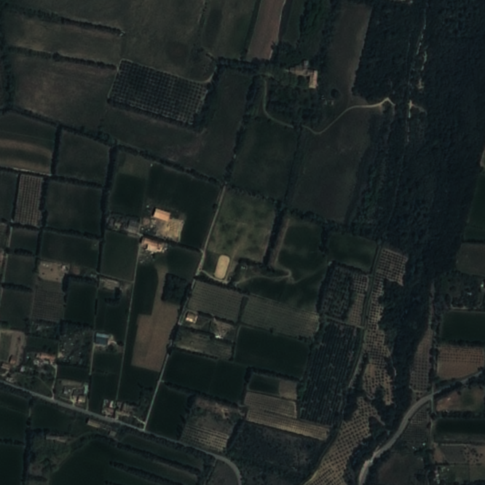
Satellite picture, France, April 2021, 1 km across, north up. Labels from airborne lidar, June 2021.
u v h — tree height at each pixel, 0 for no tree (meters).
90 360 6
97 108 0
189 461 0
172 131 0
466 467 0
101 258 8
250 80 0
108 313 0
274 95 14
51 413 0
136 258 0
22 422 0
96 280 10
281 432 6
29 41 0
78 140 0
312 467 6
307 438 6
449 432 0
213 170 0
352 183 0
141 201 0
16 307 0
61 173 0
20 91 0
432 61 6
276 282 0
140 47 0
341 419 14
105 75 0
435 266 10
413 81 6
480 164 9
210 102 11
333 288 6
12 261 0
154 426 0
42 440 24
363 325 0
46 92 0
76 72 0
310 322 0
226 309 0
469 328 0
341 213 0
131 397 0
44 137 0
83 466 0
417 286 8
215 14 0
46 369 12
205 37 0
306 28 18
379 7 8
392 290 6
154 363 0
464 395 0
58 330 8
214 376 0
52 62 0
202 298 0
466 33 13
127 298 0
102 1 0
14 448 0
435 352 10
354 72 0
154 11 0
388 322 6
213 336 14
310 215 14
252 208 0
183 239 0
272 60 6
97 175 0
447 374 0
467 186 6
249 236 0
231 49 0
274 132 0
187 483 0
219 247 0
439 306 15
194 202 0
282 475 9
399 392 10
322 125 7
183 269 0
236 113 0
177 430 0
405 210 6
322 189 0
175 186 0
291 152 0
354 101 0
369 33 9
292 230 0
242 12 0
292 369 0
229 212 0
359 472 6
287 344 0
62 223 0
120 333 0
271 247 7
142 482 0
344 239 0
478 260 0
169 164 17
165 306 0
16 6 7
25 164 0
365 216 10
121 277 0
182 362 0
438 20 6
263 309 0
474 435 0
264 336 0
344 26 0
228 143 0
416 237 19
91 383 6
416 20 6
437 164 7
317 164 0
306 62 0
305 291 0
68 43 0
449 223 9
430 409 7
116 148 13
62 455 19
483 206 0
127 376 0
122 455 0
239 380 0
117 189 0
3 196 0
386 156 6
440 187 6
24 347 10
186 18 0
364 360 7
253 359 0
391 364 6
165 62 0
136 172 0
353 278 9
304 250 0
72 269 0
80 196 0
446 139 10
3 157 0
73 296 0
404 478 0
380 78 6
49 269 0
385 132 6
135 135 0
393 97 8
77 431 0
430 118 6
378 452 0
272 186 0
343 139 0
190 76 0
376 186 7
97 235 9
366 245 0
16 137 0
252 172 0
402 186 7
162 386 0
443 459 0
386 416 10
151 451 0
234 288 11
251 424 8
